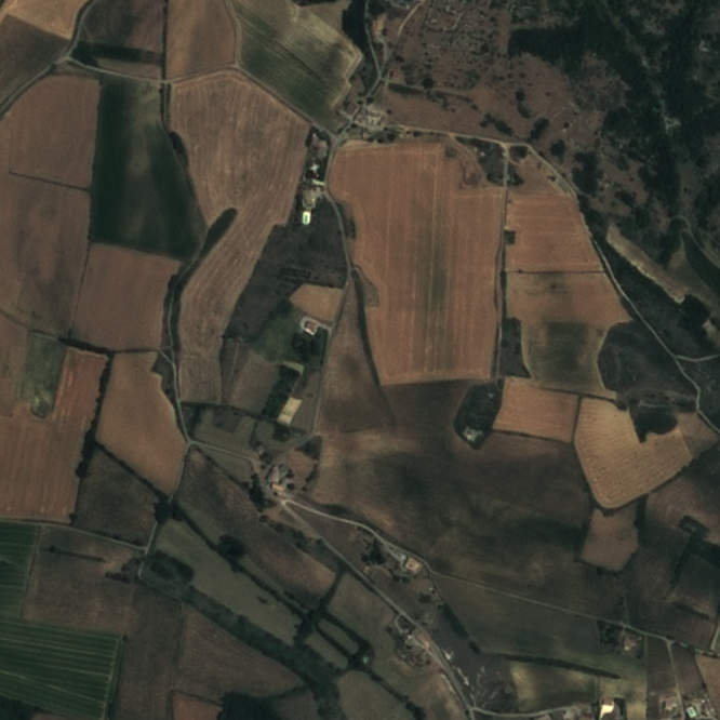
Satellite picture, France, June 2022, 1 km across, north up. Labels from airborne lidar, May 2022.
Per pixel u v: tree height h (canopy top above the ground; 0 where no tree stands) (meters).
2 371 0
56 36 0
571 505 0
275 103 0
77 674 0
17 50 0
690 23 9
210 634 0
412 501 0
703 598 0
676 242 11
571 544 0
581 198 8
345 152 0
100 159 0
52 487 0
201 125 0
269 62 0
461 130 0
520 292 0
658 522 0
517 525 0
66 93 0
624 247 0
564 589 0
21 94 0
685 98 9
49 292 0
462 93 0
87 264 0
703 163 10
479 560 0
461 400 0
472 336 0
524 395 0
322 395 0
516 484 0
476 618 0
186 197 0
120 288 0
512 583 0
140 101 0
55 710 0
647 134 8
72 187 0
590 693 0
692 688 0
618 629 7
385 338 0
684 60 12
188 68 0
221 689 0
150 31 0
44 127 0
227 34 0
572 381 0
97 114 0
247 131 0
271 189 0
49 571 0
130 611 0
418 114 0
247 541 0
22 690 0
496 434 0
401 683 0
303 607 7
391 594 0
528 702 0
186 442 0
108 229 0
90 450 12
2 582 0
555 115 0
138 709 0
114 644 0
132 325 0
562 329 0
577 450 0
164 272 0
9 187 0
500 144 0
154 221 0
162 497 7
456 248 0
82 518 0
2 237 0
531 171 0
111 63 0
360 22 7
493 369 0
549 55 11
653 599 0
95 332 0
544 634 0
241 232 0
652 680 0
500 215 0
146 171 0
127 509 0
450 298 0
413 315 0
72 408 0
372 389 0
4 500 0
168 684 0
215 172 0
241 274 0
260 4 0
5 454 0
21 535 0
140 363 0
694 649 8
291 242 0
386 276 0
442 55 0
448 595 0
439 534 0
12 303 0
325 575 0
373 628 0
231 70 0
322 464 0
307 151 0
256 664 0
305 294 0
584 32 10
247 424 0
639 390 0
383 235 0
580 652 0
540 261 0
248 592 0
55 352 0
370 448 0
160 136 0
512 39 7
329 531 0
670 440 0
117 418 0
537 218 0
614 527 0
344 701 0
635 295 6
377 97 0
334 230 0
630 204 7
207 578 0
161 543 0
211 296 0
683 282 0
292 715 0
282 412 0
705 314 8
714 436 0
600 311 0
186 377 0
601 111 0
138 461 0
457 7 0
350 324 0
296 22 0
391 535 0
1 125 0
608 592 0
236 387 0
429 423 0
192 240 0
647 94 11
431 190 0
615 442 0
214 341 0
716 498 0
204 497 0
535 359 0
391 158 0
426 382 0
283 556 0
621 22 9
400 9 0
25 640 0
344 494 0
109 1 0
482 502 0
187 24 0
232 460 0
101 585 0
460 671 0
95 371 0
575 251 0
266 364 0
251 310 0
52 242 0
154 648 0
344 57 0
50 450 0
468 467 0
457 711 0
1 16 0
